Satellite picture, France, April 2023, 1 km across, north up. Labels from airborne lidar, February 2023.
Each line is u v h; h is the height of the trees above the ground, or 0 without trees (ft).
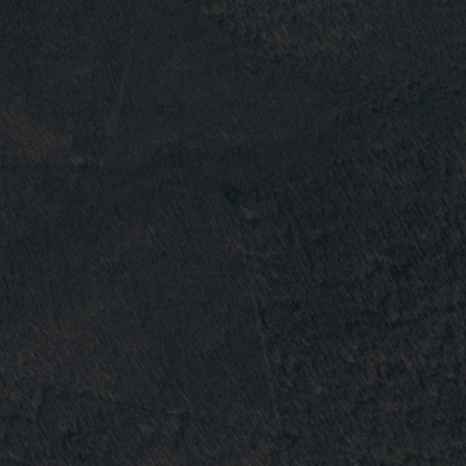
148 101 81
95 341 90
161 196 94
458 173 107
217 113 84
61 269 96
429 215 111
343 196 128
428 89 46
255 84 91
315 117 91
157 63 81
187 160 93
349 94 73
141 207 101
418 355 114
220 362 96
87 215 100
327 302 130
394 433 109
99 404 106
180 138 93
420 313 115
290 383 120
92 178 88
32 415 110
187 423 93
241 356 102
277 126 92
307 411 105
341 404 111
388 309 128
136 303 100
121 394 101
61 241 100
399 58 90
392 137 102
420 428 105
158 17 86
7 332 102
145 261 101
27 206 98
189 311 102
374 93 88
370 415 111
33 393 91
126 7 98
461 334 109
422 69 40
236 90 82
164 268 101
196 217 100
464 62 73
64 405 107
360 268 129
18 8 98
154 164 96
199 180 89
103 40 106
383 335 118
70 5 106
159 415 98
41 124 104
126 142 73
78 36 100
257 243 115
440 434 112
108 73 98
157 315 99
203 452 111
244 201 100
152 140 90
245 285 103
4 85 102
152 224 103
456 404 105
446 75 82
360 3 80
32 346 102
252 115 88
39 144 97
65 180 95
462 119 99
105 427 106
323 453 115
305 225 123
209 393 101
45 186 91
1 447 118
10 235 99
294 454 110
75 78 103
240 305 95
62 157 91
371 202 119
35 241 93
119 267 100
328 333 124
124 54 99
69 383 96
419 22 89
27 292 96
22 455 114
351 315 121
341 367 111
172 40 81
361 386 125
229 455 111
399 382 125
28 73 47
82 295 100
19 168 106
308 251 118
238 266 99
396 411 112
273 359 108
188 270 101
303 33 82
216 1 88
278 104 99
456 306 45
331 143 86
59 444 105
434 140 96
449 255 105
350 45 90
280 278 120
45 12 100
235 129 89
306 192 109
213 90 87
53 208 97
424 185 107
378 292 106
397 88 85
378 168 125
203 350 96
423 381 108
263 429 108
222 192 94
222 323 102
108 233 93
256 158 80
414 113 93
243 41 90
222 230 106
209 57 85
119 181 89
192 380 95
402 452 110
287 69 79
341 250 119
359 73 79
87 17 102
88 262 111
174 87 84
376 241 120
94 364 100
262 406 102
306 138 98
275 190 102
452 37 84
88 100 103
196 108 81
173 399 99
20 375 102
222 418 100
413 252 107
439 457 105
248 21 78
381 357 111
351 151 95
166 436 107
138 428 116
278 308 119
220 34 87
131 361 103
